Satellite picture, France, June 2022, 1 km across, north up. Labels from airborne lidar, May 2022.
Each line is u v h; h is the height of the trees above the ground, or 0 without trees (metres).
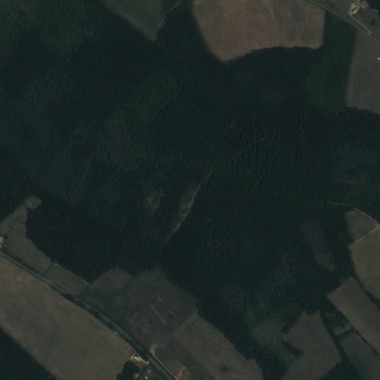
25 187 21
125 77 18
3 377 19
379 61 0
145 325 0
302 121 27
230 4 0
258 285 12
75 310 0
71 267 14
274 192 16
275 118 21
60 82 11
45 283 0
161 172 13
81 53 10
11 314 0
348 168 22
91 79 15
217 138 16
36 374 21
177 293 0
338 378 15
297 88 25
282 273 16
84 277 12
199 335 0
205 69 18
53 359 0
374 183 13
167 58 21
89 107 15
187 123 16
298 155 15
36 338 0
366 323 0
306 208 14
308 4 0
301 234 10
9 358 20
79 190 15
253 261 15
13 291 0
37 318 0
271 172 16
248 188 18
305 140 10
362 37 0
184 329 0
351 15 0
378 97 0
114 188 16
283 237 15
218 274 15
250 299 17
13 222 0
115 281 0
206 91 23
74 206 18
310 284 14
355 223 0
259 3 0
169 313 0
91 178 15
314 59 20
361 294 0
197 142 20
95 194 15
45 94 8
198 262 14
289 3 0
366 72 0
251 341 7
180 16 17
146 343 0
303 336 0
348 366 18
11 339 22
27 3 7
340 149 17
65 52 8
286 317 13
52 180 21
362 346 0
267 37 0
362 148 26
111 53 18
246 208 13
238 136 20
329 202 15
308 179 15
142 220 10
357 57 0
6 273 0
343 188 14
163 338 0
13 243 0
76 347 0
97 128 11
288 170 15
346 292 0
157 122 17
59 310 0
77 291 0
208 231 16
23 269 0
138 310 0
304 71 20
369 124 22
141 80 20
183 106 13
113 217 13
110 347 0
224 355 0
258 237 8
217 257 15
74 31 8
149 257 14
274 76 21
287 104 22
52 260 15
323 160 16
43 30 6
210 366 0
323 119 26
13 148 17
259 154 22
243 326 9
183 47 13
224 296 17
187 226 12
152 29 0
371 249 0
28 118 18
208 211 11
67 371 0
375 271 0
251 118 22
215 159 13
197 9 0
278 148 19
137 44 18
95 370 0
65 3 10
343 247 14
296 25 0
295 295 18
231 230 18
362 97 0
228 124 22
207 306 17
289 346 14
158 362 6
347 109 13
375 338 0
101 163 17
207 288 21
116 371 0
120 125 7
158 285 0
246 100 24
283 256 20
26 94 17
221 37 0
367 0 12
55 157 18
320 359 0
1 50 11
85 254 22
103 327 0
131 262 16
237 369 0
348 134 19
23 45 12
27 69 14
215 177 15
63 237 28
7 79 14
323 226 12
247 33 0
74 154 17
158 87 12
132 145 18
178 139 17
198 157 14
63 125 14
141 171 16
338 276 13
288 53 21
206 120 17
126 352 0
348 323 10
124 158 22
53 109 14
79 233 24
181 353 0
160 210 14
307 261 11
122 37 18
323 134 17
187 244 8
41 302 0
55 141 17
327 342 0
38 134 15
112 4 0
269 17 0
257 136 19
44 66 17
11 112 16
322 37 0
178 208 12
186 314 0
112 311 0
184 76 26
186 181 14
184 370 0
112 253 21
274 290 8
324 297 6
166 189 16
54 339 0
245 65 16
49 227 24
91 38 8
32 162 19
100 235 19
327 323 8
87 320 0
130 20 0
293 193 17
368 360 0
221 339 0
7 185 20
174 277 14
